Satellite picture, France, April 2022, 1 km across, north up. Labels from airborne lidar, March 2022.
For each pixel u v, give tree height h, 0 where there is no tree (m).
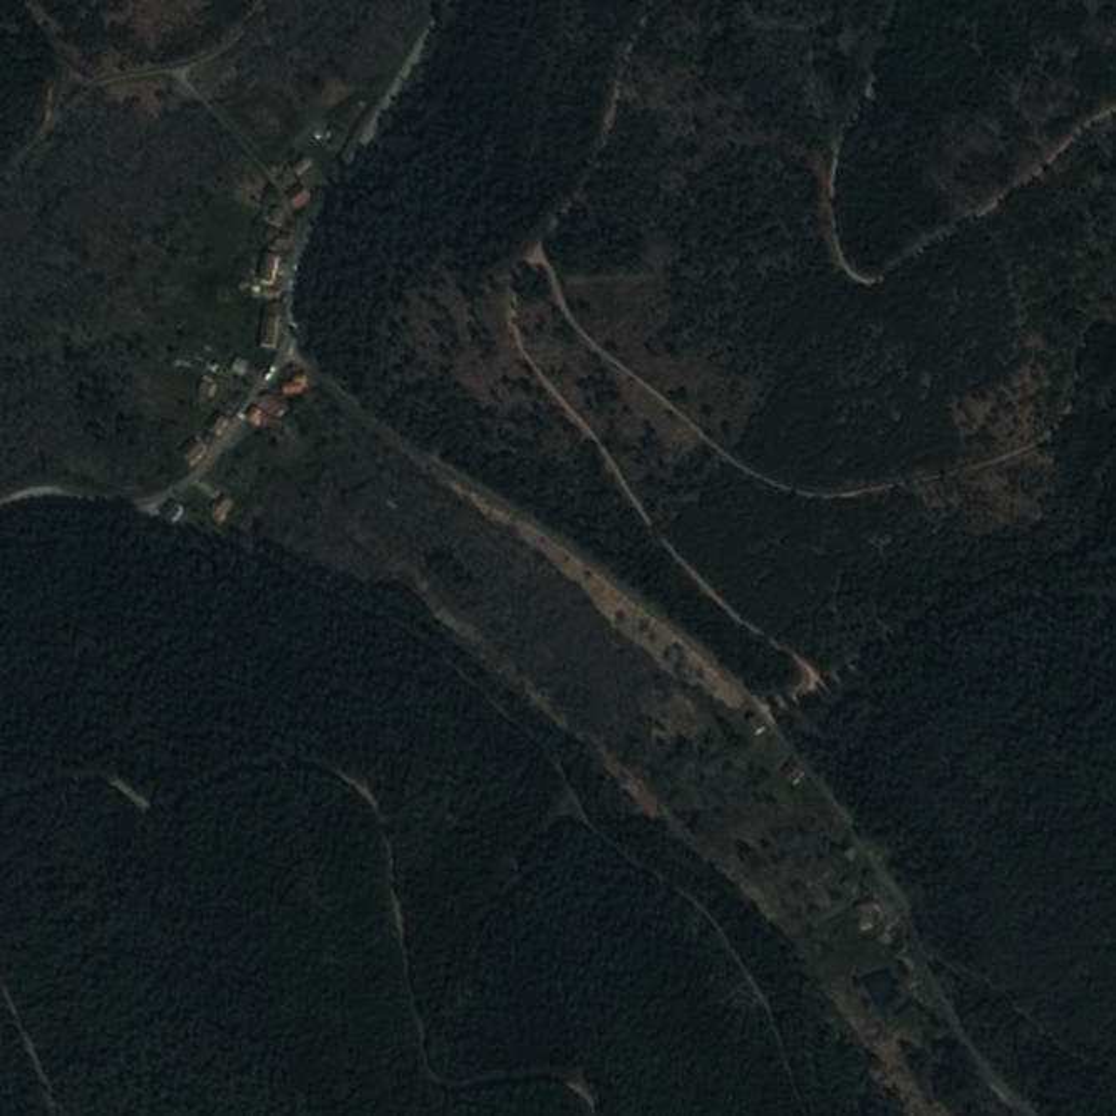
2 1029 23
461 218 21
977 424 8
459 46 11
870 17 19
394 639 25
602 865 19
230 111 0
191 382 0
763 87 7
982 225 9
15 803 17
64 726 19
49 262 18
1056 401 9
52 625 10
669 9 6
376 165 17
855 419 10
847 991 0
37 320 21
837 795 22
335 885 25
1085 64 11
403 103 10
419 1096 27
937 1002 0
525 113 9
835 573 11
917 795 18
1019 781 14
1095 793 9
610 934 20
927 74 10
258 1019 15
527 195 11
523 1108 21
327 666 20
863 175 7
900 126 10
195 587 21
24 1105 17
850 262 7
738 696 0
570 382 0
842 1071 33
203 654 18
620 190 9
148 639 27
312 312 17
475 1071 22
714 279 9
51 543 13
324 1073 15
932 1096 15
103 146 19
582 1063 17
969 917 19
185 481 0
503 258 10
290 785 26
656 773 11
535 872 29
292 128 0
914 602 27
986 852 12
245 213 0
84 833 22
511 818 24
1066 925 17
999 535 8
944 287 10
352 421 9
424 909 20
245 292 0
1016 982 17
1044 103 10
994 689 15
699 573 9
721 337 8
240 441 0
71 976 18
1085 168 7
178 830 26
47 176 21
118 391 24
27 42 21
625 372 0
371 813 19
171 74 0
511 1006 20
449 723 22
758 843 0
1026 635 30
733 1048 20
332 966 19
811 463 11
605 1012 12
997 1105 18
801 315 9
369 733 24
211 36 9
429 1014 25
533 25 8
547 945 18
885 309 10
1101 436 15
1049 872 17
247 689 21
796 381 10
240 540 19
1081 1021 17
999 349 10
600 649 20
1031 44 10
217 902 21
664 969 14
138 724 27
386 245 18
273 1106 24
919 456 11
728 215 8
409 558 11
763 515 10
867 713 32
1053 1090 22
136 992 18
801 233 8
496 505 0
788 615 13
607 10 6
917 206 8
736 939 28
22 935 20
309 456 0
